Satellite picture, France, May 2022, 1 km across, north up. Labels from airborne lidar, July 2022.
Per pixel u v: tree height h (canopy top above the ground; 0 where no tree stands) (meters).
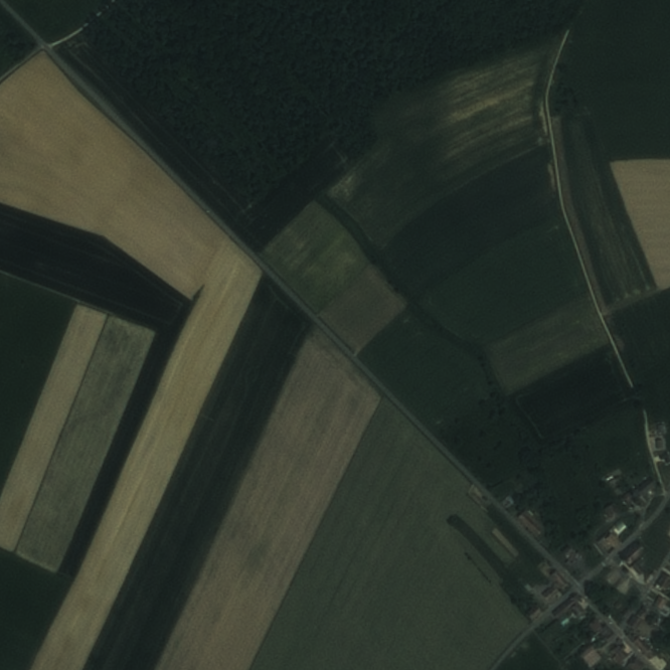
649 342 0
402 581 0
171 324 0
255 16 29
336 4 24
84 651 0
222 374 0
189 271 0
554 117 0
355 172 0
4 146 0
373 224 0
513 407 0
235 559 0
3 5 0
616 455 0
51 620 0
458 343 0
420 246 0
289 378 0
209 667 0
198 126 26
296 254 0
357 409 0
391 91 21
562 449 7
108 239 0
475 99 0
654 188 0
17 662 0
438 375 0
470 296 0
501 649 0
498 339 0
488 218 0
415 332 0
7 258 0
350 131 20
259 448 0
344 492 0
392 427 0
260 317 0
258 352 0
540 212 0
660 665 0
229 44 27
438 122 0
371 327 0
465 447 0
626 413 0
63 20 0
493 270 0
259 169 29
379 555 0
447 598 0
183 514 0
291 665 0
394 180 0
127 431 0
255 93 28
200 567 0
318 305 0
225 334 0
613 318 0
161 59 20
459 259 0
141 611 0
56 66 0
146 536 0
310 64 29
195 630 0
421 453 0
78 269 0
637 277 0
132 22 27
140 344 0
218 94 27
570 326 0
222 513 0
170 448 0
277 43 30
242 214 0
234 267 0
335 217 0
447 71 12
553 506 23
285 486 0
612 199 0
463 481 0
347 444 0
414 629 0
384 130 0
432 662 0
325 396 0
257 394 0
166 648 0
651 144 0
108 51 18
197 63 26
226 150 19
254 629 0
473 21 19
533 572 0
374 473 0
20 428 0
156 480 0
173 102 26
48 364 0
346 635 0
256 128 24
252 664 0
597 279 0
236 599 0
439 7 21
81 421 0
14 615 0
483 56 19
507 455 0
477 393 0
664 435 0
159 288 0
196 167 0
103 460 0
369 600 0
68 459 0
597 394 0
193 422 0
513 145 0
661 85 0
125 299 0
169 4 25
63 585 0
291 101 24
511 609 0
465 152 0
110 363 0
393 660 0
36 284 0
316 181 0
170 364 0
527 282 0
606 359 0
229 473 0
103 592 0
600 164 0
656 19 0
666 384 0
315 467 0
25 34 0
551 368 0
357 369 0
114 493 0
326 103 26
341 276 0
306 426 0
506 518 0
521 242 0
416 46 18
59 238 0
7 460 0
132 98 0
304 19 26
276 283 0
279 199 0
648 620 8
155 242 0
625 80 0
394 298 0
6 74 0
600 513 6
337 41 9
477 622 0
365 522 0
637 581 0
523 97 0
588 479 0
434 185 0
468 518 0
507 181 0
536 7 22
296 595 0
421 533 0
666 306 0
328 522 0
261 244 0
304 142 17
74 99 0
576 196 0
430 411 0
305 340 0
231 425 0
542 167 0
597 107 0
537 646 0
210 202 0
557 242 0
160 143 0
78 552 0
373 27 29
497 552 0
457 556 0
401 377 0
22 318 0
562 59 0
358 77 25
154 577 0
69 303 0
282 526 0
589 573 0
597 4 0
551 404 0
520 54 0
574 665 0
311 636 0
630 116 0
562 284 0
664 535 0
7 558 0
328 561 0
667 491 0
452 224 0
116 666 0
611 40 0
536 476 20
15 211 0
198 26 27
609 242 0
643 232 0
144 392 0
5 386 0
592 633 7
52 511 0
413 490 0
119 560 0
